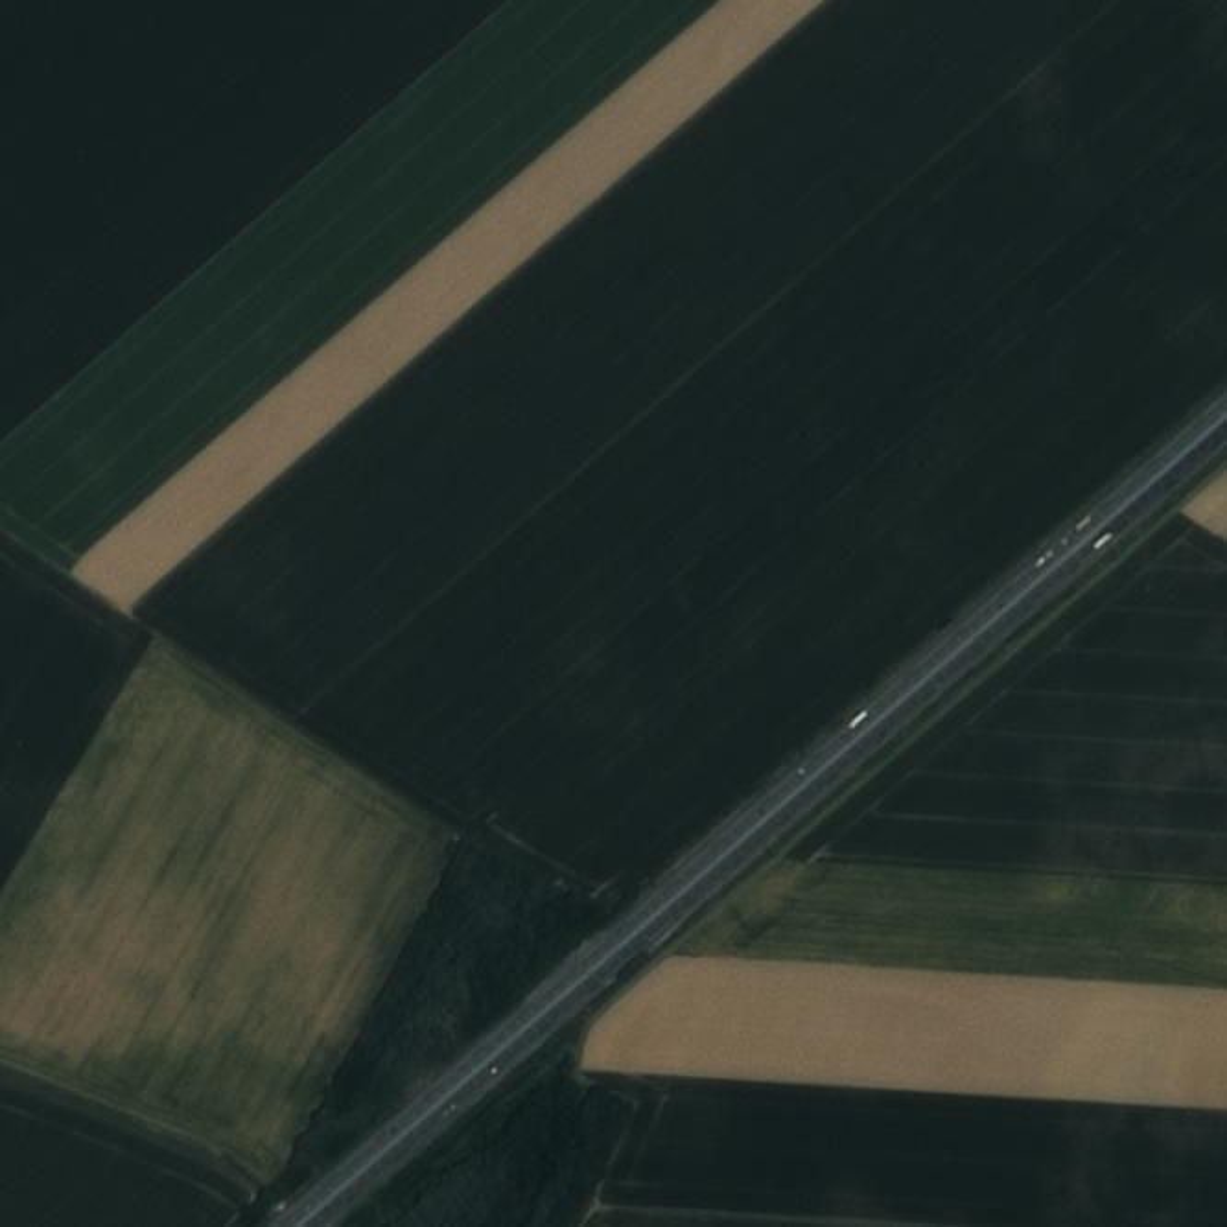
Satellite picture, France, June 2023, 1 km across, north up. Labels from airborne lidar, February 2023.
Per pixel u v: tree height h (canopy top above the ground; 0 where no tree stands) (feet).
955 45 0
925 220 0
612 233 0
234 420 0
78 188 0
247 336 0
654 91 0
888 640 0
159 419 0
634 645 0
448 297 0
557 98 0
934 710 0
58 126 0
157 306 0
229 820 0
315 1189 0
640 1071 0
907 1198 0
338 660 0
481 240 0
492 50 0
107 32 0
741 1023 0
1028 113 0
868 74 0
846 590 0
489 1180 62
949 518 0
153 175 0
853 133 0
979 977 0
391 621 0
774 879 0
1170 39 0
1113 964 0
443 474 0
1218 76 0
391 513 0
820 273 0
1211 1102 0
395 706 0
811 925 0
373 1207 0
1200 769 0
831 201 0
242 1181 0
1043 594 0
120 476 0
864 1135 0
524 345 0
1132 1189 0
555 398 0
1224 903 0
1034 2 0
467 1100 0
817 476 0
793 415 0
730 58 0
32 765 0
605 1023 0
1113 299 0
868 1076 0
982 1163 0
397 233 0
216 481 0
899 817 0
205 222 0
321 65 0
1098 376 0
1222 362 0
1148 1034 0
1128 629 0
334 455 0
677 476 0
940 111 0
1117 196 0
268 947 0
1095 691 0
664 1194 0
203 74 0
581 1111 28
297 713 0
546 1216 63
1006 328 0
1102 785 0
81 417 0
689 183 0
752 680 0
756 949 0
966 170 0
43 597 0
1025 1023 0
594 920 35
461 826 0
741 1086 0
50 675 0
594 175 0
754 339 0
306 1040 0
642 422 0
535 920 36
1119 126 0
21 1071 0
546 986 0
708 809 0
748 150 0
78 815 0
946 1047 0
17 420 0
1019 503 0
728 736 0
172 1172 0
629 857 0
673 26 0
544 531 0
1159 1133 0
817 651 0
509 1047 0
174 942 0
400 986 32
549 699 0
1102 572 0
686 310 0
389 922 0
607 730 0
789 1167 0
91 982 0
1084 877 0
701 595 0
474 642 0
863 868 0
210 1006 0
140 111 0
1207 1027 0
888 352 0
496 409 0
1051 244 0
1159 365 0
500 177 0
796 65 0
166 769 0
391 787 0
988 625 0
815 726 0
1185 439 0
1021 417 0
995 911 0
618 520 0
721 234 0
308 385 0
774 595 0
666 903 0
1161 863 0
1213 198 0
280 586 0
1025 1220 0
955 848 0
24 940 0
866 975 0
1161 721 0
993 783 0
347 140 0
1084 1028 0
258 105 0
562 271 0
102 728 0
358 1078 28
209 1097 0
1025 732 0
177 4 0
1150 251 0
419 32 0
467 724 0
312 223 0
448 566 0
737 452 0
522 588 0
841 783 0
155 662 0
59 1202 0
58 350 0
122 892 0
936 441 0
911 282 0
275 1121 0
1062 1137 0
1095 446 0
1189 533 0
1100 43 0
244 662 0
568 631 0
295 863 0
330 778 0
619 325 0
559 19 0
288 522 0
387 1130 0
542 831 0
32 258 0
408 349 0
